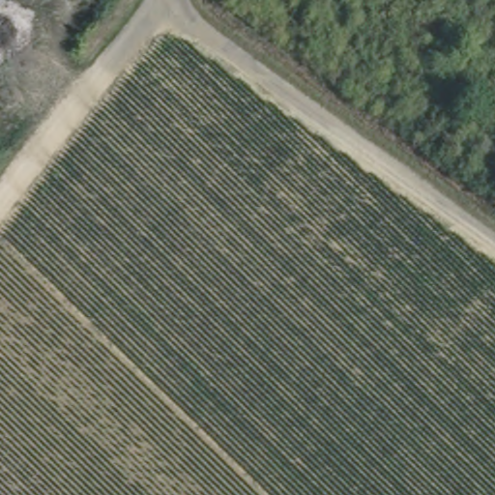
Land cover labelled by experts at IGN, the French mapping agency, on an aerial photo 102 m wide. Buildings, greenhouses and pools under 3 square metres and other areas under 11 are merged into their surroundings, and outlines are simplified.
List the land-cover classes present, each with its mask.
<instances>
[{"label":"vineyard","instance_id":"1","mask_svg":"<svg viewBox=\"0 0 495 495\"><path fill-rule=\"evenodd\" d=\"M0 495H495V261L476 251L462 236L449 230L433 215L416 207L408 197L394 193L381 178H377L371 172H365L356 160L335 149L333 143L327 141L323 135L309 130L300 120L286 116L282 110H278L277 104L263 101L242 79L226 72L217 60L201 54L193 44L184 39L160 35L151 39L147 44V60L135 66V70L124 83L116 79L102 95L97 110L85 118L81 128L72 131V135L68 137V149L60 151L46 166L43 174L35 180V188L29 191V197L23 201L14 220H4L0 217Z\"/></svg>","mask_w":495,"mask_h":495},{"label":"coniferous trees","instance_id":"2","mask_svg":"<svg viewBox=\"0 0 495 495\"><path fill-rule=\"evenodd\" d=\"M143 0H0V172L15 159L23 143L33 135L37 126H41L43 120H46L56 102L68 95L70 85L79 77V73L85 72L97 62L102 52L116 41V37L130 23L131 17L141 8ZM197 14L211 27H215L220 35L238 44L253 60L265 64L271 72L277 73L298 91L307 95L311 101L335 114L338 120H342L346 126H350L364 139L371 141L375 147L408 166L427 184L447 195L470 217L480 220L485 228L495 232V0H189Z\"/></svg>","mask_w":495,"mask_h":495},{"label":"impervious surface","instance_id":"3","mask_svg":"<svg viewBox=\"0 0 495 495\"><path fill-rule=\"evenodd\" d=\"M160 35L184 39L193 44L201 54L217 60L226 72L242 79L263 101L277 104L278 110H282L286 116L300 120L309 130L323 135L327 141L333 143L335 149L356 160L365 172H371L377 178H381L394 193L408 197L416 207L433 215L449 230L462 236L476 251L495 261V232L485 228L480 220L470 217L447 195L427 184L408 166L375 147L371 141L364 139L350 126H346L342 120H338L335 114L311 101L307 95L298 91L277 73L271 72L265 64L253 60L238 44L220 35L215 27H211L197 14L189 0H143L141 8L131 17L130 23L116 37V41L102 52L97 62L116 79L124 83L135 70V66L147 60V44L151 39Z\"/></svg>","mask_w":495,"mask_h":495},{"label":"pervious surface","instance_id":"4","mask_svg":"<svg viewBox=\"0 0 495 495\"><path fill-rule=\"evenodd\" d=\"M116 79L97 62L85 72L79 73V77L70 85L68 95L56 102L46 120H43L41 126H37L33 135L23 143L15 159L0 172V217L4 220H14L23 201L29 197V191L35 188V180L43 174L46 166L60 151L68 149V137L72 135V131L81 128L85 118L97 110L102 95Z\"/></svg>","mask_w":495,"mask_h":495}]
</instances>
